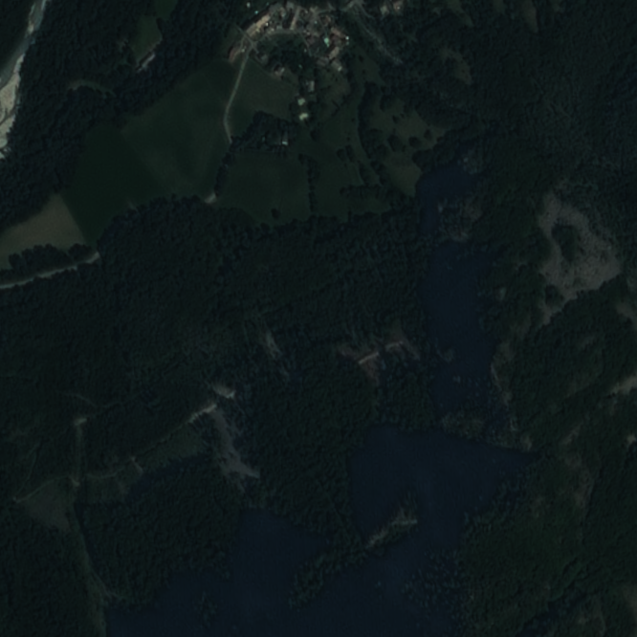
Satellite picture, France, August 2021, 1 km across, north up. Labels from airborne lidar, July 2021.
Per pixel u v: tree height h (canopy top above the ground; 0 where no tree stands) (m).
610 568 19
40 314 25
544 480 14
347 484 20
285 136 22
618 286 13
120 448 7
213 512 24
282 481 16
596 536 19
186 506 24
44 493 0
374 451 27
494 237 16
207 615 16
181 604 15
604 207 7
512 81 23
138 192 0
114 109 9
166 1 0
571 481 14
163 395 7
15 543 15
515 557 22
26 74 15
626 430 15
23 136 15
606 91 18
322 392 25
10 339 23
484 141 10
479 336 11
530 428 8
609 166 10
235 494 20
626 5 20
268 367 20
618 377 9
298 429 25
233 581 19
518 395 19
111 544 21
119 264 25
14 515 13
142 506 23
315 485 22
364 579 24
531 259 9
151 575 21
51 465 8
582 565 13
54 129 12
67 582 13
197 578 21
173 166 0
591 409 14
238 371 13
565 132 12
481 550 20
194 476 26
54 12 15
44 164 26
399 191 8
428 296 16
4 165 20
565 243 11
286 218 0
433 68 18
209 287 32
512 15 20
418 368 22
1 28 18
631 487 22
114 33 13
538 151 15
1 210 18
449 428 11
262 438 19
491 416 12
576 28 19
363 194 16
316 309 12
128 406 9
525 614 20
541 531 13
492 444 11
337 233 20
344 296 8
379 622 20
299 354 20
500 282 10
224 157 0
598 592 9
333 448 22
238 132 0
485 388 11
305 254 27
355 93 10
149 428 9
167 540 18
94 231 0
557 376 13
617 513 17
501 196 18
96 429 6
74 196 0
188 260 31
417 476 0
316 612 19
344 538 26
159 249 23
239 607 12
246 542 23
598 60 14
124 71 21
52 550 14
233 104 0
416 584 10
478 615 17
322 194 0
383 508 22
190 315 22
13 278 16
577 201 9
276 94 0
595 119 17
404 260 15
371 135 19
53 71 11
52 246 0
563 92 13
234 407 13
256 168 0
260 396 22
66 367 6
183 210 27
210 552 26
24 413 16
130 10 22
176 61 24
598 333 9
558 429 13
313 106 15
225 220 7
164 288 26
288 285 23
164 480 20
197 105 0
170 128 0
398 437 20
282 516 8
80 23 22
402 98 18
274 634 11
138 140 0
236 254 7
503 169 19
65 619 15
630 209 18
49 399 10
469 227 10
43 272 18
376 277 13
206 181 0
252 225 7
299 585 16
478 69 16
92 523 20
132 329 22
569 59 15
